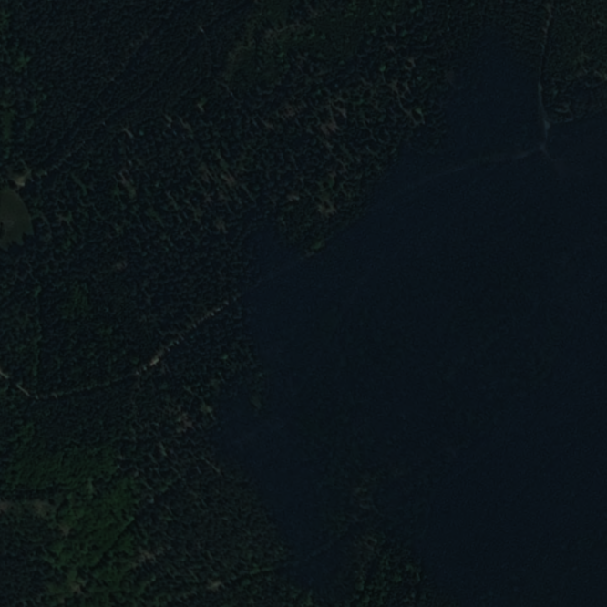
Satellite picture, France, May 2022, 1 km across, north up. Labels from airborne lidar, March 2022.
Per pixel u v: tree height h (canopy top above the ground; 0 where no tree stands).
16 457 20
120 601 16
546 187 17
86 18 25
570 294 31
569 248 18
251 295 15
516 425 25
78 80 26
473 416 22
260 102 29
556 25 11
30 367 20
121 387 16
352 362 12
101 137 23
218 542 29
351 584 28
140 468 16
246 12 24
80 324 21
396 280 17
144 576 32
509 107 9
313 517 19
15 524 12
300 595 29
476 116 19
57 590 18
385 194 15
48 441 19
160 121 15
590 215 18
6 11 25
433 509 14
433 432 28
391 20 6
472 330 21
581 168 19
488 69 14
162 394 21
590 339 21
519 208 19
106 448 17
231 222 25
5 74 33
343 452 27
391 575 25
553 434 18
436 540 17
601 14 6
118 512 15
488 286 17
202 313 10
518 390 25
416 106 19
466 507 15
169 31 22
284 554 19
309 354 16
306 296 14
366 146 12
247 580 22
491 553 16
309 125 7
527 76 13
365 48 20
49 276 6
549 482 18
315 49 6
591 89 8
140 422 7
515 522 17
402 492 27
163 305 32
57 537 12
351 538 34
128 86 24
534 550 15
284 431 11
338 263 11
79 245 9
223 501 30
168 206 34
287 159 28
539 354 21
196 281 29
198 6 21
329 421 22
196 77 24
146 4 24
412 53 20
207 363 30
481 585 16
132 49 25
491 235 18
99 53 26
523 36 13
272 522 33
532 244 14
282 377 14
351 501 20
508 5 20
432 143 20
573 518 21
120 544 21
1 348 31
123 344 22
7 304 29
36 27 29
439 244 17
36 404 16
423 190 15
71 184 23
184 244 20
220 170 27
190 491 25
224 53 24
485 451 20
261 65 26
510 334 20
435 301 15
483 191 13
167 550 31
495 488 16
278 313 12
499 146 20
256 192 29
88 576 35
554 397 25
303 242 13
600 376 21
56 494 8
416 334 21
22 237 0
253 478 29
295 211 10
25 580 28
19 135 27
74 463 19
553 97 13
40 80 25
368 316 15
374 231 16
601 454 15
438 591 16
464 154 18
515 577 12
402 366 19
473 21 20
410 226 18
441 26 24
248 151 29
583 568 6
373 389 25
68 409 17
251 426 25
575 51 7
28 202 21
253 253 20
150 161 30
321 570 29
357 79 18
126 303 9
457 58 21
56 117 26
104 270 23
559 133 14
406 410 27
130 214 18
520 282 20
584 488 17
